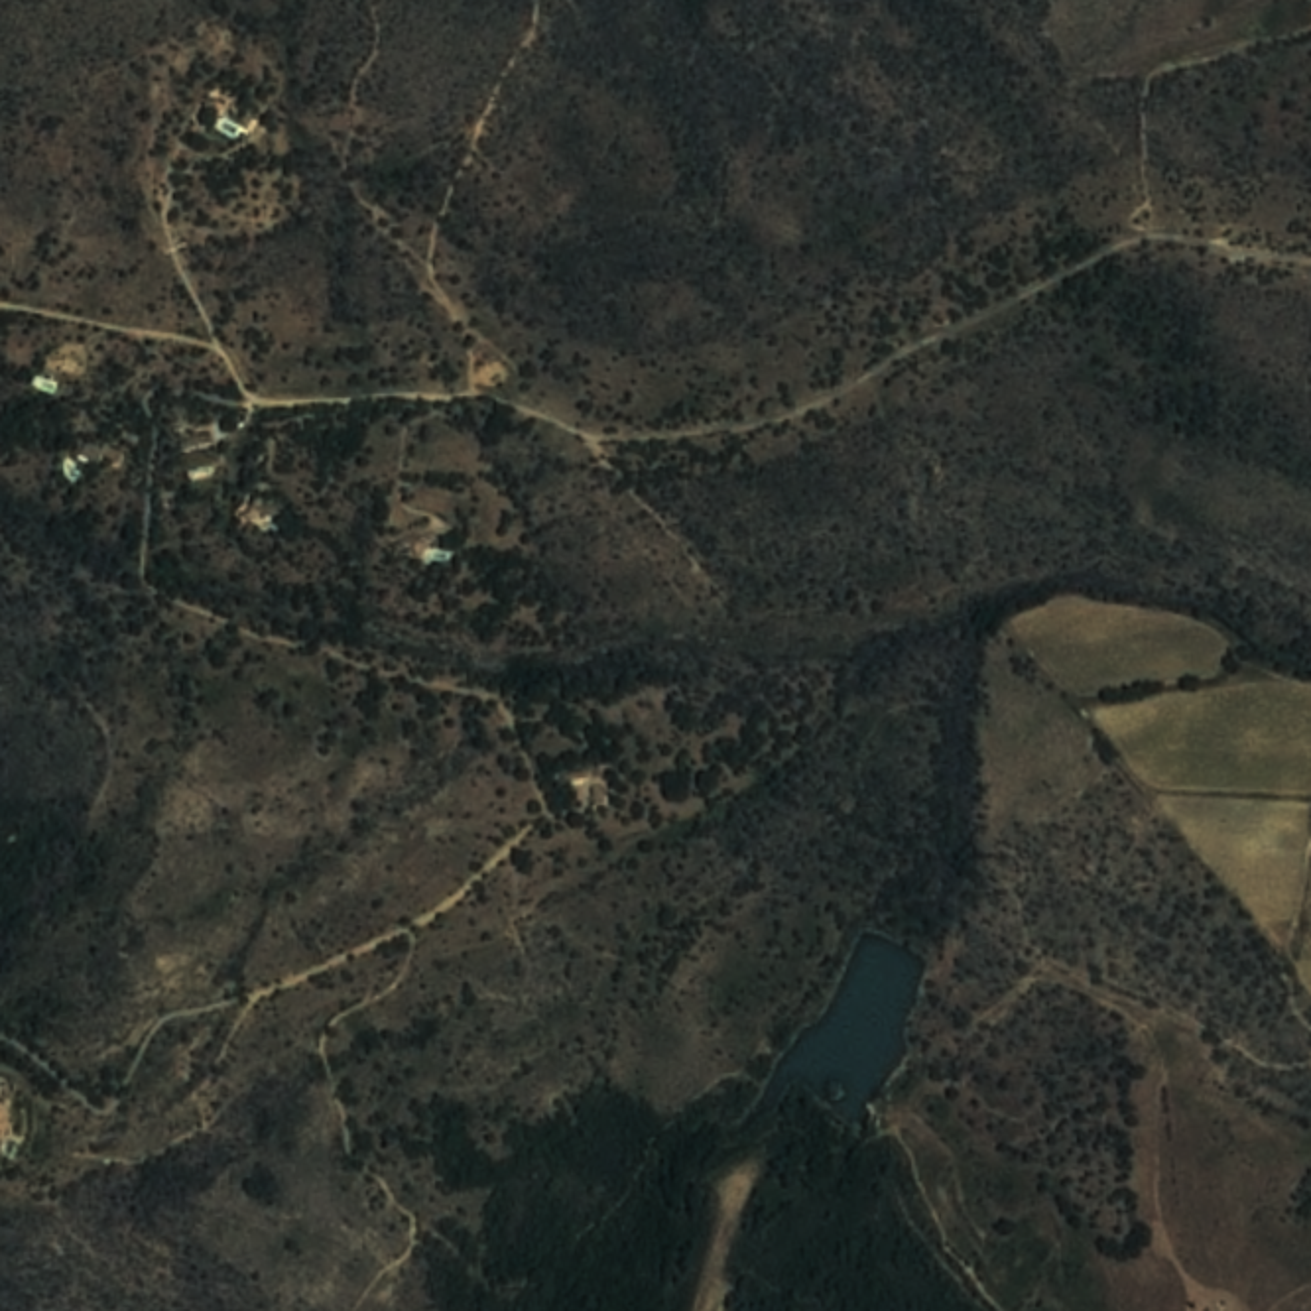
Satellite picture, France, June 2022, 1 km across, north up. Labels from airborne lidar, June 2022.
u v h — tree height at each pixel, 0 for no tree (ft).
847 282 28
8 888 28
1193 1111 0
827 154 0
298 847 0
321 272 0
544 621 27
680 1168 48
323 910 0
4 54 0
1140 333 35
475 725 31
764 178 20
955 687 25
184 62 0
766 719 34
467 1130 21
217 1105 32
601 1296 22
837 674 21
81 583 39
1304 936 0
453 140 23
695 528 26
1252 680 0
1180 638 0
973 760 24
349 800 0
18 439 27
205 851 0
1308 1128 30
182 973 0
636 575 0
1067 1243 0
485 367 23
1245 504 0
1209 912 29
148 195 0
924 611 0
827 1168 46
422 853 0
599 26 26
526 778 39
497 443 29
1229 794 0
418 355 20
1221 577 31
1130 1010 0
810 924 0
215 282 0
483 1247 34
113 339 26
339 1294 0
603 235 24
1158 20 0
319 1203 0
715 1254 0
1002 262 28
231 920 0
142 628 30
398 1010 0
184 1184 38
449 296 0
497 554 21
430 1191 0
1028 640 0
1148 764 0
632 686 47
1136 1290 0
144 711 0
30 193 0
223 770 0
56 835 21
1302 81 26
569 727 37
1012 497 0
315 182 32
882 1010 0
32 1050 29
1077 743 0
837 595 31
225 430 32
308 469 25
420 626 30
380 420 21
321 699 0
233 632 31
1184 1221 0
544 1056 0
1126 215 0
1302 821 0
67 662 26
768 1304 36
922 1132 0
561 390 0
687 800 29
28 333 23
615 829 0
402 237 29
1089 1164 27
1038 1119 0
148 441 21
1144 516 0
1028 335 21
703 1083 0
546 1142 23
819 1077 0
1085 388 0
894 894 40
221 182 21
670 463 22
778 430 21
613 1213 21
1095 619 0
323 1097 0
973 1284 21
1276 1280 0
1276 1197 0
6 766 42
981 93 34
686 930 26
